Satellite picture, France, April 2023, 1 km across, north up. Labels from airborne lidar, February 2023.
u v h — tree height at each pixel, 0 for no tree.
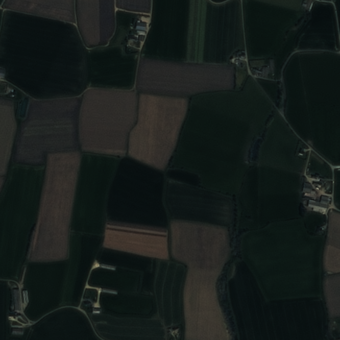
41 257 0
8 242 0
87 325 0
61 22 0
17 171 0
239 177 0
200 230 0
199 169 0
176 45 0
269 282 0
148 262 0
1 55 0
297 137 0
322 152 0
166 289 0
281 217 0
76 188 0
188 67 0
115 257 0
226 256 0
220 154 0
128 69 0
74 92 0
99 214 0
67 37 0
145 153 0
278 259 0
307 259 0
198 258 0
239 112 0
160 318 0
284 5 0
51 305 0
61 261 0
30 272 0
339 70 0
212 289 0
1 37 0
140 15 0
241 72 0
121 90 0
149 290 0
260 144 8
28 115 0
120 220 0
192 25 0
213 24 0
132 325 0
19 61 0
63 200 0
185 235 0
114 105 0
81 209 0
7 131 0
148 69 0
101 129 0
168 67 0
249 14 0
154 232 0
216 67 0
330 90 0
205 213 0
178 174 0
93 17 0
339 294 0
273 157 0
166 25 0
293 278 0
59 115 0
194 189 0
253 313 0
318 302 0
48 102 0
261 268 0
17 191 0
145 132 0
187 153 0
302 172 0
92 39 0
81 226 0
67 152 0
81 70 0
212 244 0
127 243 0
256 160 12
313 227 0
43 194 0
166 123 0
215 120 0
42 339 0
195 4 0
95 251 0
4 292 0
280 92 7
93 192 0
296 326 0
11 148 0
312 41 0
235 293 0
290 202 0
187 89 0
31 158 0
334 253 0
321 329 0
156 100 0
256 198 0
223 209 0
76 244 0
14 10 0
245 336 0
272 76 0
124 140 0
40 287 0
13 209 0
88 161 0
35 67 0
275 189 0
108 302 0
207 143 0
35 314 0
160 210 0
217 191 0
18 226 0
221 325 0
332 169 0
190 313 0
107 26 0
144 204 0
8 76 0
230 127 0
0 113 0
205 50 0
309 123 0
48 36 0
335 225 0
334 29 0
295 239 0
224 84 0
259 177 0
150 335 0
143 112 0
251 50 0
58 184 0
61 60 0
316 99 0
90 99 0
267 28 0
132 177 0
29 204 0
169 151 0
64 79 0
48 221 0
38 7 0
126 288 0
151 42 0
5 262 0
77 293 0
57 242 0
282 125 0
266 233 0
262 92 0
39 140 0
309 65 0
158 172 0
